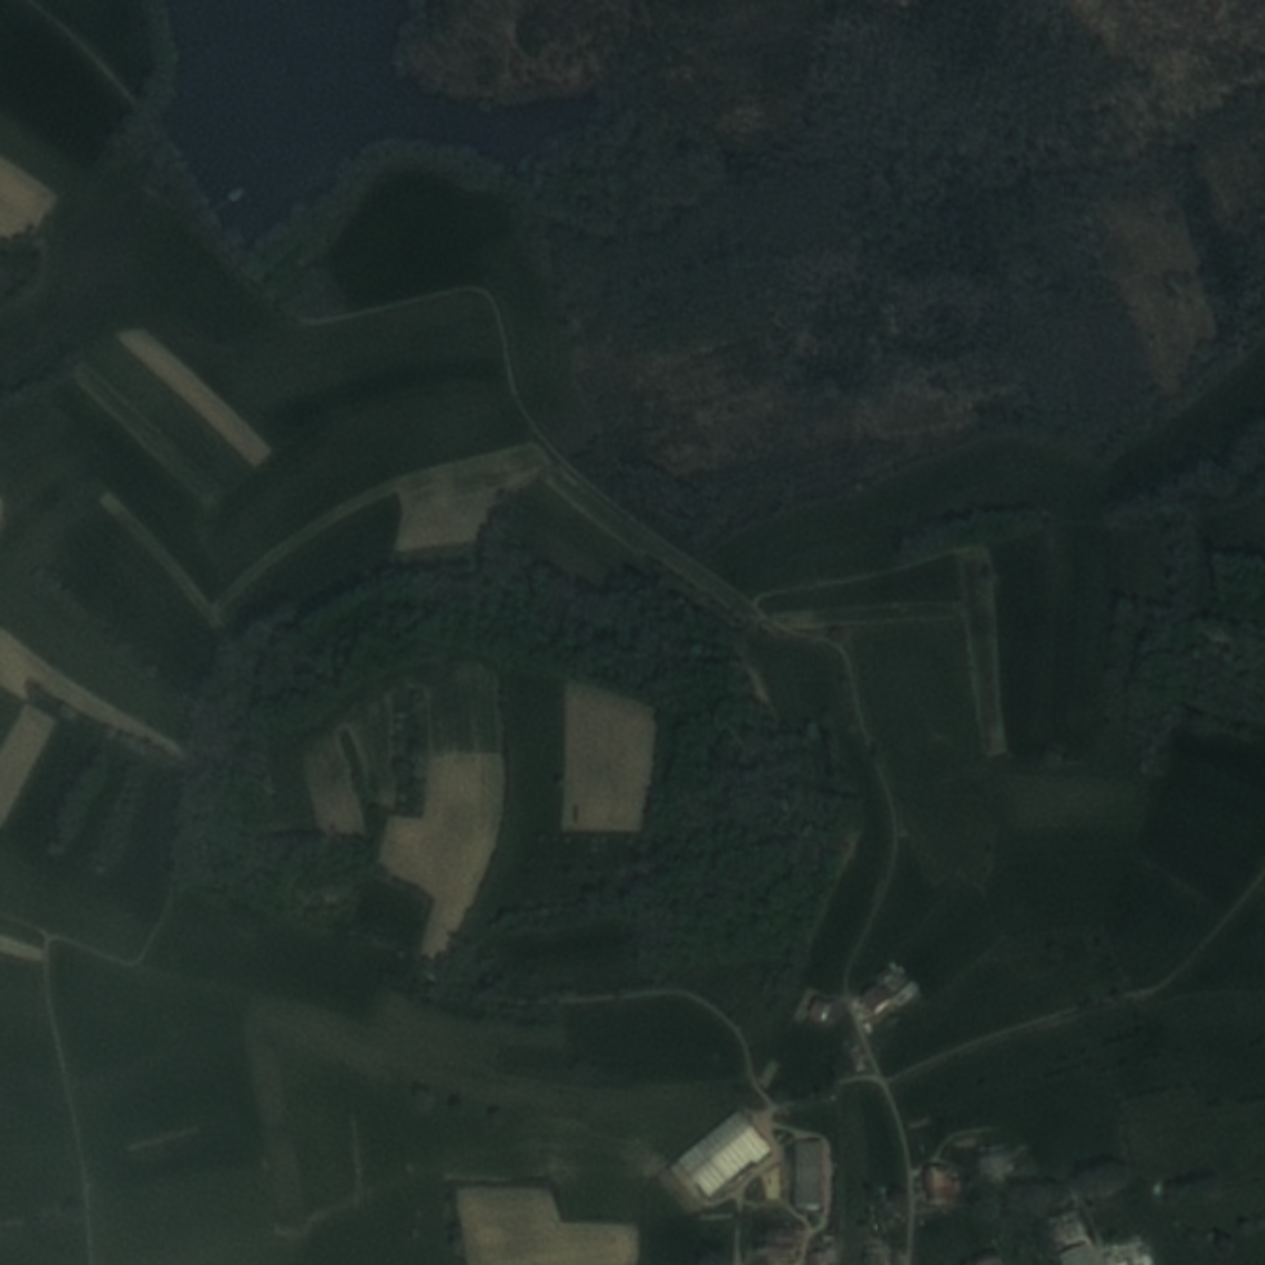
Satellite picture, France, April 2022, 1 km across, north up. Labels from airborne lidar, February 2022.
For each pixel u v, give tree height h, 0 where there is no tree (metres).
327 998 0
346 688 17
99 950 0
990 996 0
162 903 0
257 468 0
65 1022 0
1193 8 0
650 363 0
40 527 0
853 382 9
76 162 0
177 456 0
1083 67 14
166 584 0
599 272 16
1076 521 0
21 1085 0
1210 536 0
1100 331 21
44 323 0
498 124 0
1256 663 23
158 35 22
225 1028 0
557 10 8
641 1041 0
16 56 0
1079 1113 0
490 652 14
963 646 0
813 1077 0
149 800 0
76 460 0
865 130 6
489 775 0
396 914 0
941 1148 0
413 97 0
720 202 14
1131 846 0
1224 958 0
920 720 0
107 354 0
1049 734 0
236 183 0
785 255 16
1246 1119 0
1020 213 21
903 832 0
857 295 13
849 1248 0
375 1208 0
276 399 0
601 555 0
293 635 20
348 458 0
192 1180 0
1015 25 10
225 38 0
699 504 23
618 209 23
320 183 0
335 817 0
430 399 0
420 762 14
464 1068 0
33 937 0
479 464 0
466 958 19
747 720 26
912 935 0
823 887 23
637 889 19
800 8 0
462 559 0
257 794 19
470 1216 0
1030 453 0
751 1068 0
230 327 0
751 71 0
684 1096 0
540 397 0
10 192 0
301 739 0
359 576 0
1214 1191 19
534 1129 0
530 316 0
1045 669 0
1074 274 20
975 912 0
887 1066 0
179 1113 0
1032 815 0
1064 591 0
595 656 26
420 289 0
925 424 0
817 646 0
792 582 0
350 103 0
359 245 0
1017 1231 18
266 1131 0
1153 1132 0
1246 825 0
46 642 0
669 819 17
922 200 19
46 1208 0
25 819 0
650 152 19
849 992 0
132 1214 0
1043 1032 0
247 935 0
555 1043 0
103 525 0
